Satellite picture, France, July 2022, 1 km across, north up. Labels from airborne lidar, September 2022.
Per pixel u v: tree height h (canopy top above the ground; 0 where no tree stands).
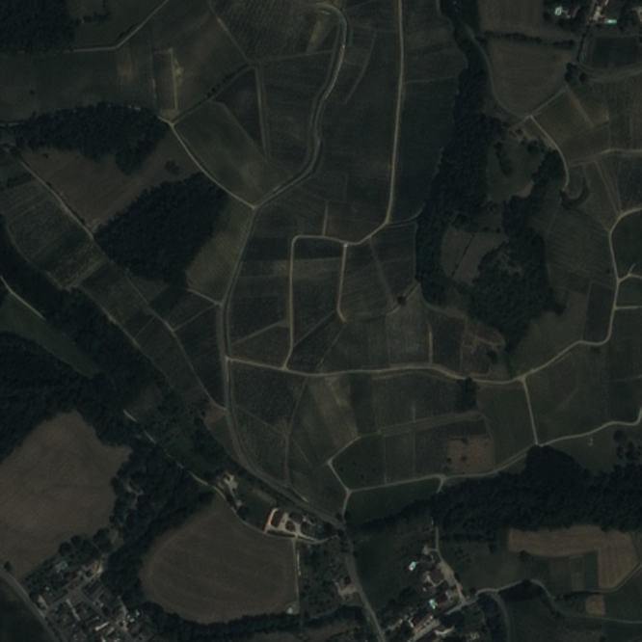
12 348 12
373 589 0
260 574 0
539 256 17
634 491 15
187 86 0
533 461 23
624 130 0
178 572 0
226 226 0
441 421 0
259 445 0
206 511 0
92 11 0
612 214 0
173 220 25
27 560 0
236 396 0
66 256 0
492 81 0
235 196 0
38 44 23
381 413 0
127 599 22
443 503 23
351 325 0
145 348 0
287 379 0
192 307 0
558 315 11
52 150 0
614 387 0
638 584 0
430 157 0
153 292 0
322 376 0
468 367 0
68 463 0
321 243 0
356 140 0
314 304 0
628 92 0
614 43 0
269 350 0
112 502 0
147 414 0
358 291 0
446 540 12
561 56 0
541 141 7
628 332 0
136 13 0
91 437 0
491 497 23
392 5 0
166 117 0
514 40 8
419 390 0
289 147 0
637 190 0
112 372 34
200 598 0
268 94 0
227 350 0
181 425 0
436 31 0
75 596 0
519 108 0
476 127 18
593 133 0
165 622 16
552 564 0
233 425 0
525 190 0
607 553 0
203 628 15
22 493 0
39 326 0
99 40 0
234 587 0
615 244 0
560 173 12
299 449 0
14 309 0
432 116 0
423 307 0
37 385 25
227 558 0
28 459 0
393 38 0
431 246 12
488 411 0
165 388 8
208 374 0
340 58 0
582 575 0
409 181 0
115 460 0
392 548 0
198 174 8
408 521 20
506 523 18
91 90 0
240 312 0
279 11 0
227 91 0
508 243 10
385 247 0
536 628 0
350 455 0
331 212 0
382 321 0
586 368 0
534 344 0
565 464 23
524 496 33
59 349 0
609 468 0
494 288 11
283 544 0
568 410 0
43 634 0
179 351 0
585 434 0
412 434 0
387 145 0
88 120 24
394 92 0
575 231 0
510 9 0
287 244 0
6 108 0
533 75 0
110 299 0
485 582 0
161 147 0
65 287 0
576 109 0
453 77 0
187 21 0
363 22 0
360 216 0
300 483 0
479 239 0
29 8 28
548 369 0
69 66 0
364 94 0
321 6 0
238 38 0
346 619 15
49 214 0
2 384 26
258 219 0
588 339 0
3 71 0
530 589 15
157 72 0
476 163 17
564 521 13
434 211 21
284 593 0
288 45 0
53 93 0
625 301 0
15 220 0
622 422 0
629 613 0
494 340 0
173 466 17
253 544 0
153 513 26
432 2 0
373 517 0
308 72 0
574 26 15
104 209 0
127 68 0
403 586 0
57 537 0
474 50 11
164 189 16
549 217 0
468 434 0
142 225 23
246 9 0
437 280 7
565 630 0
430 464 0
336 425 0
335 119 0
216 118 0
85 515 0
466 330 0
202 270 0
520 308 10
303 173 0
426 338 0
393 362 0
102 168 0
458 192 21
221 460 17
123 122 25
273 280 0
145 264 25
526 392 0
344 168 0
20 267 11
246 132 0
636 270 0
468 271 0
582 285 0
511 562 0
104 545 13
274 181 0
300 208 0
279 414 0
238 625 14
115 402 20
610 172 0
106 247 19
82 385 21
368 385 0
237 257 0
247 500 0
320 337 0
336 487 0
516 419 0
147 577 0
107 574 11
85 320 9
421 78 0
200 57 0
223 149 0
